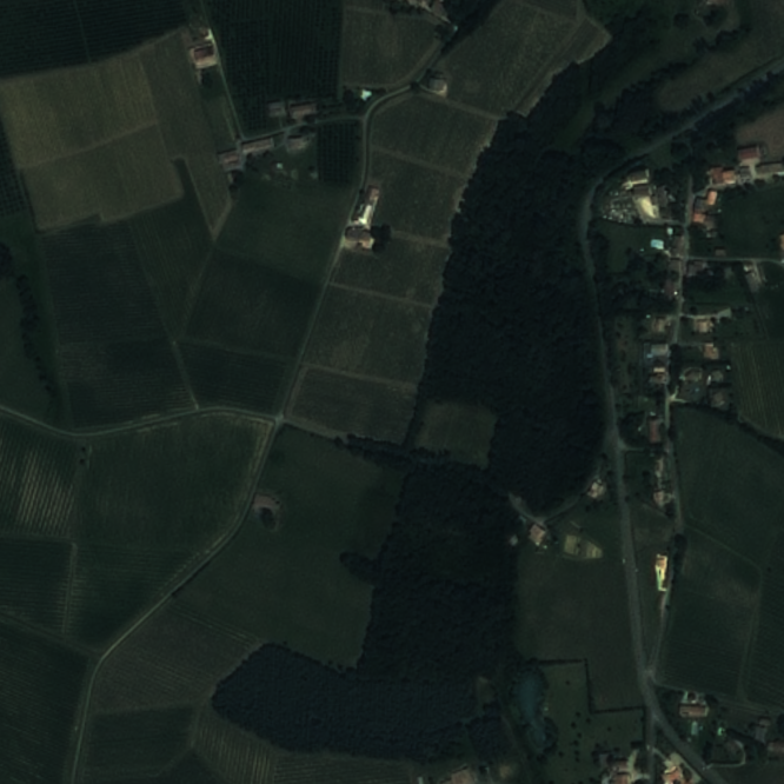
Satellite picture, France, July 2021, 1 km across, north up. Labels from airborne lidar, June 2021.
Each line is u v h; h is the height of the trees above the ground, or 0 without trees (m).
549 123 24
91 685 0
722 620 0
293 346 0
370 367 0
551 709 0
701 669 0
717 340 9
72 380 0
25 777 0
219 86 0
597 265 9
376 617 15
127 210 0
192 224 0
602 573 0
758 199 0
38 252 0
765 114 0
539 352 15
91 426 0
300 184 0
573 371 24
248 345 0
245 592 0
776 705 0
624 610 0
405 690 15
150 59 0
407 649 19
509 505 16
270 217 0
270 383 0
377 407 0
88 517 0
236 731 0
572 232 13
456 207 0
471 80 0
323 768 0
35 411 0
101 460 0
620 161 19
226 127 0
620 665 0
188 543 0
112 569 0
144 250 0
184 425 0
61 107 0
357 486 0
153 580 0
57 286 0
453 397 16
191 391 0
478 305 15
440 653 15
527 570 0
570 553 0
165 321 0
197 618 0
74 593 0
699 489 0
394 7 8
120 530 0
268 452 0
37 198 0
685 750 0
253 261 0
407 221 0
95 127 0
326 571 0
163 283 0
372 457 15
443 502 20
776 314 0
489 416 0
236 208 0
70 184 0
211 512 0
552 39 0
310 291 0
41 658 0
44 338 0
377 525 0
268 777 0
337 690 14
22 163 0
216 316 0
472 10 17
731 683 0
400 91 0
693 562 0
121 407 0
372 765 0
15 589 0
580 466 25
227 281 0
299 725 15
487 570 6
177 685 0
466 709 15
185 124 0
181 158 0
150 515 0
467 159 0
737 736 14
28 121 0
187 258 0
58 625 0
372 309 0
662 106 0
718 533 0
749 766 0
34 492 0
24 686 0
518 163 25
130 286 0
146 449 0
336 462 0
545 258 34
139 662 0
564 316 13
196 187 0
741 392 0
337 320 0
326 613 0
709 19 10
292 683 14
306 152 0
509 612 16
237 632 0
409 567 13
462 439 0
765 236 0
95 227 0
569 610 0
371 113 0
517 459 21
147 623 0
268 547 0
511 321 20
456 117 0
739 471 0
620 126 18
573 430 22
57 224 0
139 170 0
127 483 0
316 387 0
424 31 0
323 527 0
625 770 0
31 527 0
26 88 0
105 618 0
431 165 0
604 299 20
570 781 0
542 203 28
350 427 0
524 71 0
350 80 0
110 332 0
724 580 0
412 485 15
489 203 17
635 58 13
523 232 26
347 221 0
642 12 11
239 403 0
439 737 14
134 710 0
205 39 0
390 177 0
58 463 0
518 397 21
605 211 0
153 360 0
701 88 0
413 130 0
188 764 0
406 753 14
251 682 12
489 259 24
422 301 0
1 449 0
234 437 0
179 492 0
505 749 15
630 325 0
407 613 16
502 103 0
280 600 0
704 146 17
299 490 0
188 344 0
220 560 0
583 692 0
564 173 20
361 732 16
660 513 0
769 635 0
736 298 0
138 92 0
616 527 0
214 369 0
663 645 0
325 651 0
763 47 0
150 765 0
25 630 0
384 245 7
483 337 19
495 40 0
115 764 0
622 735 0
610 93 0
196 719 0
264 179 0
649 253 0
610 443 0
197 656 0
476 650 27
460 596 25
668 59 0
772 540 0
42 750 0
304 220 0
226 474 0
